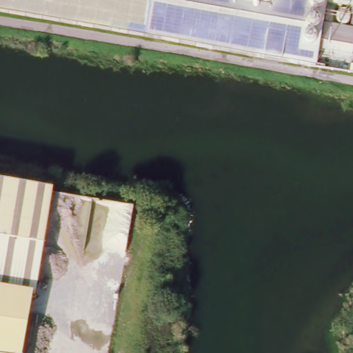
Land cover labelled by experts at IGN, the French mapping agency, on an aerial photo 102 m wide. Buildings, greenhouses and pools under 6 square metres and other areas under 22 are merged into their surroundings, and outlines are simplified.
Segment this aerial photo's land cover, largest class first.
<instances>
[{"label":"water","instance_id":"1","mask_svg":"<svg viewBox=\"0 0 353 353\"><path fill-rule=\"evenodd\" d=\"M0 154L7 157V164L22 161L48 168L58 165L69 174L74 172L77 175H90L91 178H95V183H117L128 188L143 185L149 192L175 199L185 208L188 212V228L183 236L186 245L183 265L181 268L174 266L170 272L172 279L161 283V288L176 295V312L179 316L186 323L182 331L185 339L188 346L186 353H339L338 343L341 342V336L334 334L331 327L341 316L347 291L353 285V112L343 110L338 98L316 94L305 88H287L272 81L234 77L230 74L214 76L201 69L186 72L175 66L159 68L153 63H149L145 68L106 65L102 68L101 63L97 66H88L74 58L66 57L65 54L54 52L43 58L34 57L21 48L0 44Z\"/></svg>","mask_w":353,"mask_h":353},{"label":"building","instance_id":"2","mask_svg":"<svg viewBox=\"0 0 353 353\"><path fill-rule=\"evenodd\" d=\"M0 12L41 19L57 18L58 22L141 34L154 39L193 44L208 50L241 52L252 57L310 66H316L320 62L331 68L349 69L353 72V0H0ZM52 189V183H48L0 175V353H22L30 303L39 279Z\"/></svg>","mask_w":353,"mask_h":353},{"label":"bare soil","instance_id":"3","mask_svg":"<svg viewBox=\"0 0 353 353\"><path fill-rule=\"evenodd\" d=\"M132 212V204L55 192L52 189L39 279L30 303L22 353H109L110 334L116 317L117 290L123 276L124 265L130 259V256L125 254V245Z\"/></svg>","mask_w":353,"mask_h":353},{"label":"herbaceous vegetation","instance_id":"4","mask_svg":"<svg viewBox=\"0 0 353 353\"><path fill-rule=\"evenodd\" d=\"M0 17L112 34L189 50H208L193 44L154 39L141 34L58 22L57 18L41 19L0 12ZM0 36L36 39V43L46 46L54 43V52L65 54L66 57L74 58L88 66H97L101 63L102 68L106 65L145 68L149 63H153L159 68L175 66L186 72L201 69L214 76L230 74L234 77L272 81L287 88H305L316 94L338 98L343 110L353 112V85L250 68L236 63L216 62L190 55H178L174 52L146 50L143 47L121 46L0 25ZM312 72L353 77V72L349 69L331 68L320 62L316 66H310ZM0 175L48 183L54 178V174H51L48 168L22 161L7 164V157L0 154ZM137 214L132 212L125 245V254L130 256V259L124 265L123 276L117 290L116 317L110 334L109 353H146L148 345L141 331L142 305L148 290L153 287L149 280V269L150 258L154 254V239H150L149 234L138 233L135 230Z\"/></svg>","mask_w":353,"mask_h":353},{"label":"deciduous trees","instance_id":"5","mask_svg":"<svg viewBox=\"0 0 353 353\"><path fill-rule=\"evenodd\" d=\"M51 174H54V178L48 183H52V189L55 192L132 204V212L137 214L135 230L138 233L149 234L150 239H154V254L150 258L149 269V280L153 287L148 290L142 305L148 306L149 317H152L153 323L161 325L174 321L179 316L176 312V295L161 288V283L172 279L170 272L174 266L181 268L183 265L186 245L183 236L188 228V212L185 208L175 199L149 192L143 185L128 188L117 183H95V178H91L90 175H77L74 172L69 174L58 165L48 168Z\"/></svg>","mask_w":353,"mask_h":353},{"label":"impervious surface","instance_id":"6","mask_svg":"<svg viewBox=\"0 0 353 353\"><path fill-rule=\"evenodd\" d=\"M0 25L121 46L143 47L146 50L174 52L178 55H190L216 62L236 63L250 68L353 85V77L312 72L310 66L252 57L241 52L208 50H189L112 34L0 17Z\"/></svg>","mask_w":353,"mask_h":353},{"label":"brushwood","instance_id":"7","mask_svg":"<svg viewBox=\"0 0 353 353\"><path fill-rule=\"evenodd\" d=\"M0 44L21 48L34 57L43 58L54 52V43L46 46L36 43V39L0 36ZM334 334L341 336V342L338 343L339 353H353V285L347 291L341 316L331 327ZM141 331L148 345L146 353H186L188 346L185 339L176 341L172 334L171 342L156 341L154 335L161 330V325L153 323L152 317H149L148 306L142 305Z\"/></svg>","mask_w":353,"mask_h":353},{"label":"coniferous trees","instance_id":"8","mask_svg":"<svg viewBox=\"0 0 353 353\"><path fill-rule=\"evenodd\" d=\"M186 323L179 316L174 321L161 325V330L154 335L156 341L171 342L172 334L176 341L185 339L182 331Z\"/></svg>","mask_w":353,"mask_h":353}]
</instances>
